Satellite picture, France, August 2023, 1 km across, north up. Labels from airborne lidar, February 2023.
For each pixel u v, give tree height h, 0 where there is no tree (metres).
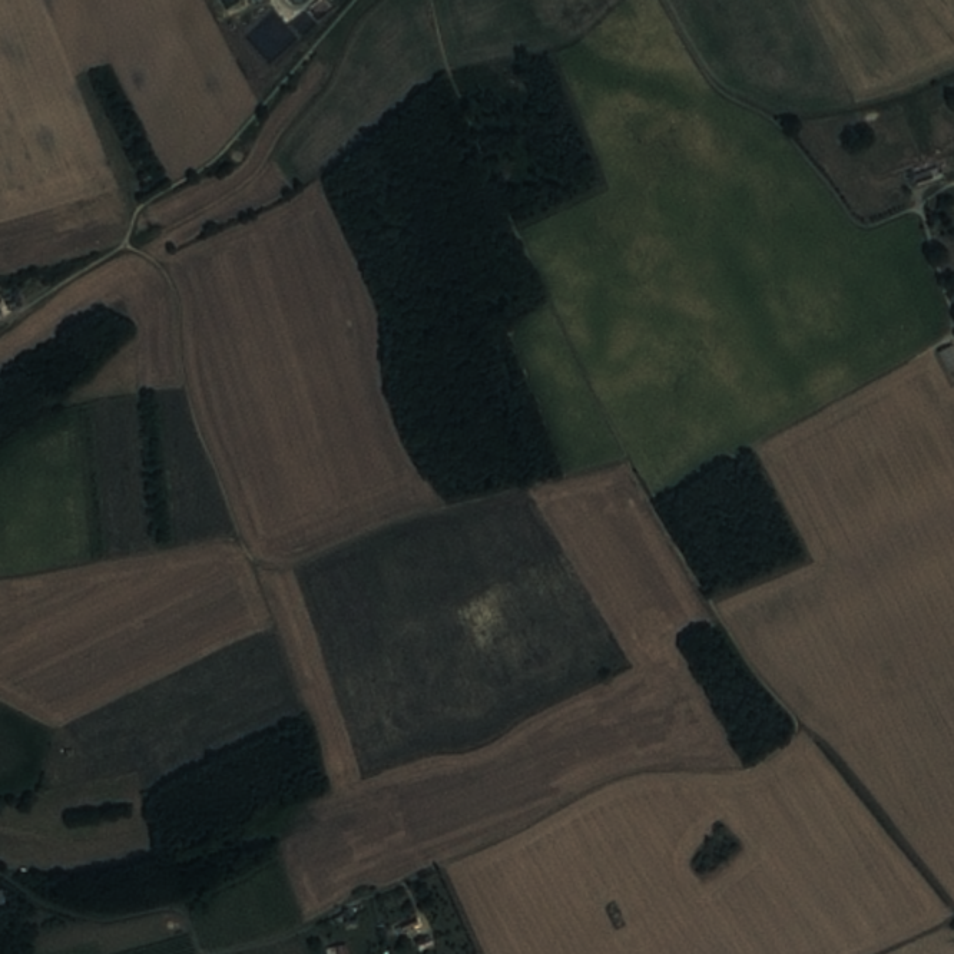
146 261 0
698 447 0
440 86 10
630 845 0
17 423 12
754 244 0
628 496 0
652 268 0
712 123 0
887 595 0
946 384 0
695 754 0
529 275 16
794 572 0
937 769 0
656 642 0
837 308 0
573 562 0
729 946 0
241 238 0
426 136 18
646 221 0
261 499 0
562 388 0
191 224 0
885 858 0
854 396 0
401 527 0
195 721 0
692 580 0
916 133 0
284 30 0
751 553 19
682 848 0
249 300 0
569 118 11
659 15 0
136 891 17
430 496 0
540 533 0
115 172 0
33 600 0
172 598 0
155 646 0
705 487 19
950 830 0
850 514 0
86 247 0
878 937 0
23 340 0
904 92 0
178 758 0
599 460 0
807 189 0
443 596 0
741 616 0
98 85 8
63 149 0
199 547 0
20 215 0
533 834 0
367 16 0
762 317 0
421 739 0
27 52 0
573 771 0
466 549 0
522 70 13
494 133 18
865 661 0
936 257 21
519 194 19
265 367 0
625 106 0
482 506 0
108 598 0
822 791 0
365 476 0
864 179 0
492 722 0
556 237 0
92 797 0
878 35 0
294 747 19
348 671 0
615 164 0
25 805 13
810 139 0
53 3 0
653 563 0
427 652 0
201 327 0
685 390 0
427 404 22
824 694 0
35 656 0
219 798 16
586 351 0
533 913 0
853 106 0
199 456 0
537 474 16
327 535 0
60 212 0
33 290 0
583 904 0
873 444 0
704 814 0
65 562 0
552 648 0
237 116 0
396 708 0
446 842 0
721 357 0
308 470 0
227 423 0
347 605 0
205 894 16
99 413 0
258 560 0
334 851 0
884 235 0
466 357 20
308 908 0
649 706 0
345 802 0
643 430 0
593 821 0
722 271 0
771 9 0
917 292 0
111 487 0
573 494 0
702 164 0
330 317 0
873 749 0
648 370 0
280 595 0
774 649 0
